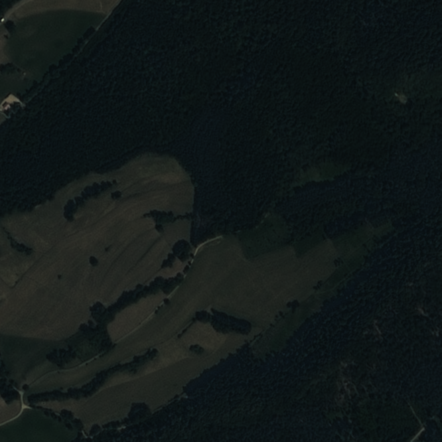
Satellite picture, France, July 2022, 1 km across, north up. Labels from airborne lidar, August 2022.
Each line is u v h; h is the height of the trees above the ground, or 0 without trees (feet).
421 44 78
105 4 0
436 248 77
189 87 55
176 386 0
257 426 106
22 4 0
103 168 68
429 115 82
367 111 48
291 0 87
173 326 0
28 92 47
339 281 0
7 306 0
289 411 102
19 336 0
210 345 0
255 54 68
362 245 0
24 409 0
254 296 0
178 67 70
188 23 57
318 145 63
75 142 60
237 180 57
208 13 75
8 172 45
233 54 55
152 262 0
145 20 60
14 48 0
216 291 0
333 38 79
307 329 77
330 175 0
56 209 0
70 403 0
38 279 0
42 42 0
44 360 0
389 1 27
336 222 48
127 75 66
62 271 0
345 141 43
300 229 35
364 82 75
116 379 0
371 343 73
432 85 40
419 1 70
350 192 54
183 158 63
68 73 52
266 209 80
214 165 84
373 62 83
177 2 60
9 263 0
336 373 49
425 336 74
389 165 84
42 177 53
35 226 0
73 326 0
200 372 0
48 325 0
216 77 49
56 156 56
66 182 56
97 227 0
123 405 0
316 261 0
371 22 94
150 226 0
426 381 126
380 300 80
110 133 64
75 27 0
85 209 0
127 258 0
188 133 54
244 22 45
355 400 38
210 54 54
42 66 0
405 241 54
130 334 0
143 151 70
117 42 70
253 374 98
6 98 0
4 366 57
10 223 0
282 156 60
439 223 101
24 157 75
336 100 43
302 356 85
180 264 0
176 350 0
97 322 31
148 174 0
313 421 115
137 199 0
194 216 55
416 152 90
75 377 0
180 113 58
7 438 0
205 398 93
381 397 94
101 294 0
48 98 43
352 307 75
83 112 58
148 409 70
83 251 0
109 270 0
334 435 103
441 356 114
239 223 71
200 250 0
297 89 45
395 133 53
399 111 79
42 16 0
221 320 81
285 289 0
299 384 60
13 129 53
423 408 31
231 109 72
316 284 0
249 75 94
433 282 79
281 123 61
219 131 82
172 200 0
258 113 43
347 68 40
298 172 77
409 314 80
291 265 0
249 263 0
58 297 0
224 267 0
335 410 94
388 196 99
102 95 44
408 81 24
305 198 80
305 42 59
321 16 54
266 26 66
